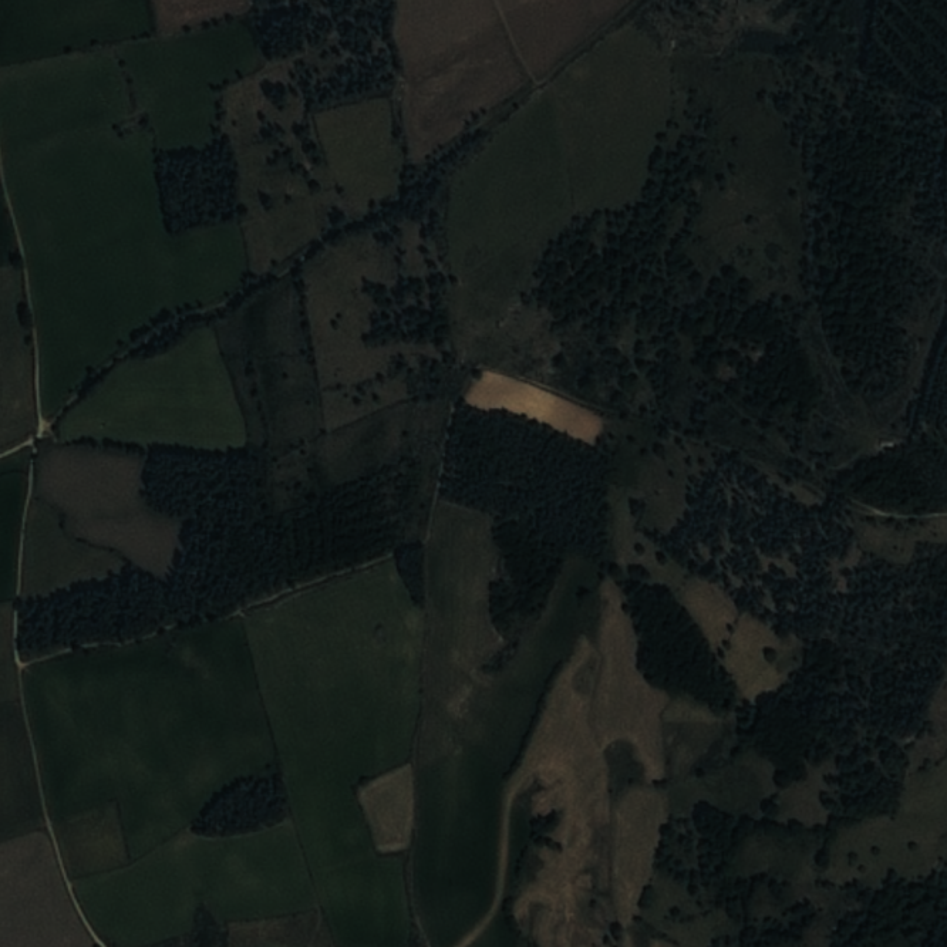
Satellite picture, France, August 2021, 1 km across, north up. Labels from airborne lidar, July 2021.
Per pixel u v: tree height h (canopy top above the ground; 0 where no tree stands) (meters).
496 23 0
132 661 0
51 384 0
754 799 0
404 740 0
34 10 0
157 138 0
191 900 0
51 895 0
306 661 0
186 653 0
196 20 0
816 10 10
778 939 10
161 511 18
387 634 0
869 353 12
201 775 0
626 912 0
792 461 8
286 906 0
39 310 0
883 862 0
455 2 0
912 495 7
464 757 0
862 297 12
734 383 10
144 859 0
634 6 0
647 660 20
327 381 0
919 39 17
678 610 13
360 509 6
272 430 0
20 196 0
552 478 20
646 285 13
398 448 0
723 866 11
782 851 0
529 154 0
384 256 0
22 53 0
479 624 0
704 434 17
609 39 0
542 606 10
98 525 0
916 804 0
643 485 0
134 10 0
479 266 0
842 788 16
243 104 0
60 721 0
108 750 0
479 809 0
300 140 11
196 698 0
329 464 0
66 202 0
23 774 0
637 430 0
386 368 0
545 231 0
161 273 0
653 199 11
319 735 0
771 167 0
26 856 0
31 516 0
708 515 15
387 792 0
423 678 0
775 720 23
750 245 0
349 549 8
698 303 7
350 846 0
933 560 6
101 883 0
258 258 0
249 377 9
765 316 15
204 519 20
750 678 0
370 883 0
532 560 7
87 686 0
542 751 0
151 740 0
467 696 0
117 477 0
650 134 0
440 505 0
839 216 6
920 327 0
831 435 9
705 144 10
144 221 0
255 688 0
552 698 0
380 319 15
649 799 0
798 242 0
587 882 0
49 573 0
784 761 18
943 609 17
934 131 10
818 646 10
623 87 0
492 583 8
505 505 17
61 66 0
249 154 0
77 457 0
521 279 0
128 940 0
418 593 18
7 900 0
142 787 0
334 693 0
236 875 0
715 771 0
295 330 0
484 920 0
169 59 0
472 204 0
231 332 0
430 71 0
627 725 0
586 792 0
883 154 9
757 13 0
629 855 0
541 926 0
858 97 13
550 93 0
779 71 0
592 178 0
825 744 13
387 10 11
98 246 0
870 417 0
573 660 0
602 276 15
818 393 11
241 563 14
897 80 20
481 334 0
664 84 0
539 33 0
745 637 0
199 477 15
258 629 0
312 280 0
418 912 0
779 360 18
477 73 0
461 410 10
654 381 9
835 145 11
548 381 0
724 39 0
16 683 0
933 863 0
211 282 0
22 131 0
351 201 0
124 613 18
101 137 0
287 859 0
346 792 0
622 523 0
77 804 0
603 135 0
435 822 0
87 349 0
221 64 0
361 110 0
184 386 0
